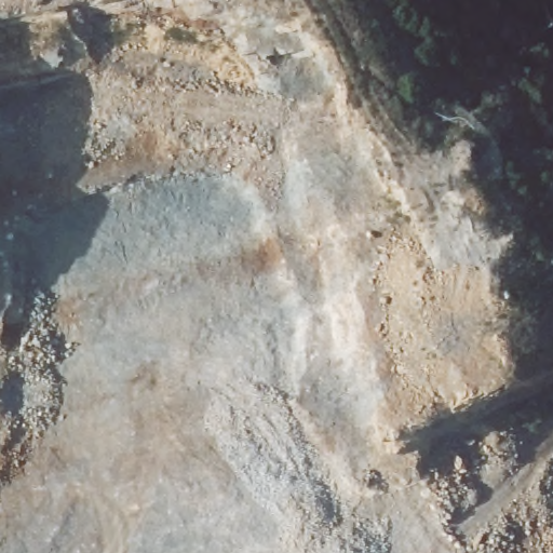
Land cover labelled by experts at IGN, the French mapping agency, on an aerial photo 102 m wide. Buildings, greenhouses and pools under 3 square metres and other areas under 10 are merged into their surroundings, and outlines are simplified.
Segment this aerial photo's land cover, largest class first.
<instances>
[{"label":"pervious surface","instance_id":"1","mask_svg":"<svg viewBox=\"0 0 553 553\"><path fill-rule=\"evenodd\" d=\"M346 71L337 63L335 50L328 45V41L322 39L320 28L315 26V17L307 9L305 0H0V553H553V369L547 374L527 376L523 382L514 380V363L508 356L505 341L501 339L510 324V294L497 289L499 279L490 274V268L497 264L501 253L512 244V235L493 238L484 227L486 205L480 199L477 190L462 175V171L469 168L471 158L469 143L464 140L458 143L454 149L439 151H426L415 158L402 156L404 168H395L387 138L382 134H372L365 123V117L348 104Z\"/></svg>","mask_w":553,"mask_h":553},{"label":"deciduous trees","instance_id":"2","mask_svg":"<svg viewBox=\"0 0 553 553\"><path fill-rule=\"evenodd\" d=\"M350 11L359 19V30L382 50L380 67L385 69V73L395 80H400L402 76H410L413 102H404L400 104V108L406 123L419 119L434 112L436 99L456 106L471 110L475 121H480L488 132L497 134L501 162L505 164V171H501L499 188L512 203V214L521 218L523 229L527 233L540 240L544 253L540 264L536 266V277H521L525 300L540 305L538 318L534 322L538 335L536 348L549 346L553 341V0H348Z\"/></svg>","mask_w":553,"mask_h":553},{"label":"herbaceous vegetation","instance_id":"3","mask_svg":"<svg viewBox=\"0 0 553 553\"><path fill-rule=\"evenodd\" d=\"M307 9L315 17V26L320 28L322 39L328 41V45L335 50L337 63L346 71L348 104L365 117V123L372 134H382L387 138L395 168H404L402 156L415 158L426 151L417 147L419 119L406 123L400 108V104L404 102H413L410 76H402L400 80H395L385 73V69L380 67L382 50L359 30V19L350 11L348 0H305ZM449 123V130L439 151L454 149L458 143L464 140L469 143L471 158L469 168L462 171V175L477 190L480 199L486 205L484 227L493 238L512 235V244L501 253L497 264L490 268V274L499 279L497 289L510 294V324L501 339L505 341L508 356L514 363V380L523 382L527 376L547 374L553 369V341L549 346L536 348L538 335L534 322L538 318L540 305L525 300L521 277H536V266L540 264L544 253L540 240L527 233L523 229L521 218L512 214V203L499 188L501 171H505V164L501 162L497 134L488 132L480 121H475L471 110L456 106L454 114L441 117Z\"/></svg>","mask_w":553,"mask_h":553},{"label":"brushwood","instance_id":"4","mask_svg":"<svg viewBox=\"0 0 553 553\"><path fill-rule=\"evenodd\" d=\"M456 106L436 99L434 112L419 119L417 147L426 151H439L449 130V123L441 117L454 114Z\"/></svg>","mask_w":553,"mask_h":553}]
</instances>
